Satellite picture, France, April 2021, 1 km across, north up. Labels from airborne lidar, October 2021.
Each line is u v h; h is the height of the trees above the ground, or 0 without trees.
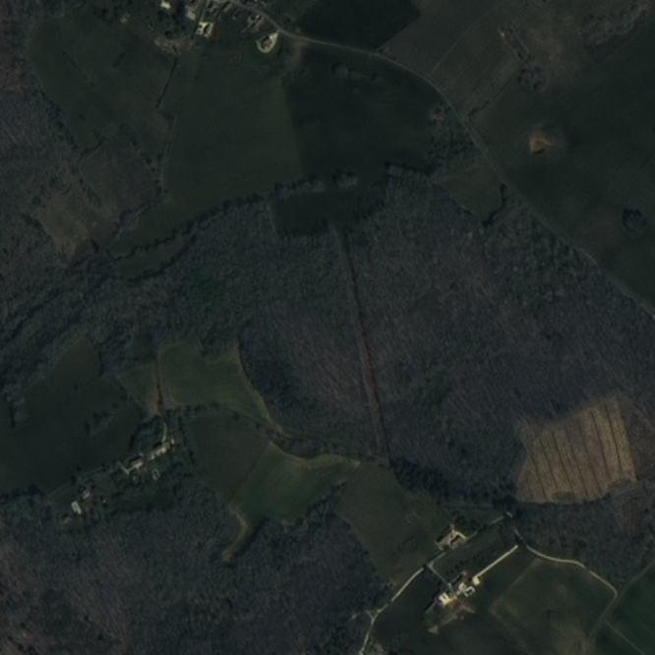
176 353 0
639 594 0
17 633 20
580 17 0
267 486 0
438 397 9
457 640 0
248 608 14
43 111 22
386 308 22
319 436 14
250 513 0
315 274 19
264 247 13
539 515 16
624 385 19
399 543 0
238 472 0
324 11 0
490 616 0
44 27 0
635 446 6
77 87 0
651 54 0
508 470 13
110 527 19
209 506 22
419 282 19
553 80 0
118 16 6
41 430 0
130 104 0
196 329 20
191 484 18
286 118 0
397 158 0
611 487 0
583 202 0
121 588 17
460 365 14
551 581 0
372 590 13
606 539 22
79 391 9
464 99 0
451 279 13
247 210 19
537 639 0
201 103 0
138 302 16
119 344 6
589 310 17
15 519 24
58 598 19
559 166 0
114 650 21
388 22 0
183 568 21
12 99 22
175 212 0
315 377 15
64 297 19
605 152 0
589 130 0
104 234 0
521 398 21
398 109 0
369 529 0
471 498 16
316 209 0
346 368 14
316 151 0
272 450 0
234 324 14
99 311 16
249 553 20
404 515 0
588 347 19
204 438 0
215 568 18
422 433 17
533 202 0
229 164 0
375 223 21
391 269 18
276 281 23
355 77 11
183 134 0
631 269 0
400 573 0
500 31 0
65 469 0
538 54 0
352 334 20
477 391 14
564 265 20
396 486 0
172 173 0
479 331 21
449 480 21
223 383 0
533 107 0
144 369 0
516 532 14
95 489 8
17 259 11
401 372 17
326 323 17
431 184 23
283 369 19
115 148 0
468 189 0
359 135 0
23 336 19
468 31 0
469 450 15
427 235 17
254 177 0
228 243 13
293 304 15
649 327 17
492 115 0
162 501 0
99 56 0
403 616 0
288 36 0
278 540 18
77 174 14
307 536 9
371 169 0
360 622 14
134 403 9
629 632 0
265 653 14
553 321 18
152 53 0
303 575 12
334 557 16
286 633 15
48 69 0
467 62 0
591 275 22
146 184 0
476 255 15
